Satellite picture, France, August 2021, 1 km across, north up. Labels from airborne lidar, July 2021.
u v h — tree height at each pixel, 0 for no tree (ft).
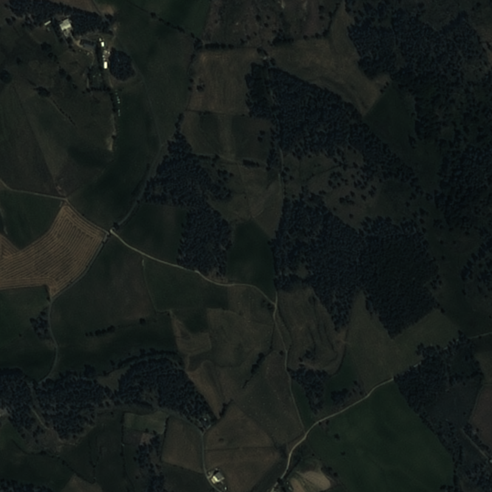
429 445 0
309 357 31
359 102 0
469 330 0
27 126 0
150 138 0
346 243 54
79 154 0
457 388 0
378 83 0
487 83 34
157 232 0
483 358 0
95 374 54
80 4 0
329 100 52
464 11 0
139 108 0
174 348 0
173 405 40
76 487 0
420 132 68
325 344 0
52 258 0
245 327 0
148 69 0
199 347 0
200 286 0
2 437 0
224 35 0
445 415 0
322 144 39
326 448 0
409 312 40
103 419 0
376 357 0
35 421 36
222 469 0
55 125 0
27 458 0
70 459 0
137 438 0
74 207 0
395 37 47
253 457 0
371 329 0
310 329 0
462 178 59
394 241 48
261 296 0
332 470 29
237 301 0
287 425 0
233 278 0
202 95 0
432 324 0
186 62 0
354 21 0
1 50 0
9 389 63
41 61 0
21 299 0
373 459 0
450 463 0
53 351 0
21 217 0
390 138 0
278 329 0
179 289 0
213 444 0
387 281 63
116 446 0
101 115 0
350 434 0
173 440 0
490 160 60
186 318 0
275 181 0
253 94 23
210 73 0
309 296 0
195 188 54
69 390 59
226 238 53
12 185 0
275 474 0
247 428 0
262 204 0
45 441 0
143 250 0
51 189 0
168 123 0
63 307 0
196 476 0
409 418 0
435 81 33
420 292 42
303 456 0
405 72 45
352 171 0
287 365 0
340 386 0
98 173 0
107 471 0
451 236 0
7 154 0
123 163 0
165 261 0
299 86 54
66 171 0
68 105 0
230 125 0
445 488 27
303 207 62
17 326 0
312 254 64
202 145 0
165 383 48
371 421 0
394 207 0
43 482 0
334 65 0
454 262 0
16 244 0
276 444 0
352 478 0
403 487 0
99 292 0
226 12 0
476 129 0
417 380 50
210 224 58
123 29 0
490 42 0
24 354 0
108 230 0
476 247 0
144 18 0
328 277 65
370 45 60
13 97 0
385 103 0
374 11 63
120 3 0
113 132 0
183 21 0
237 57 0
